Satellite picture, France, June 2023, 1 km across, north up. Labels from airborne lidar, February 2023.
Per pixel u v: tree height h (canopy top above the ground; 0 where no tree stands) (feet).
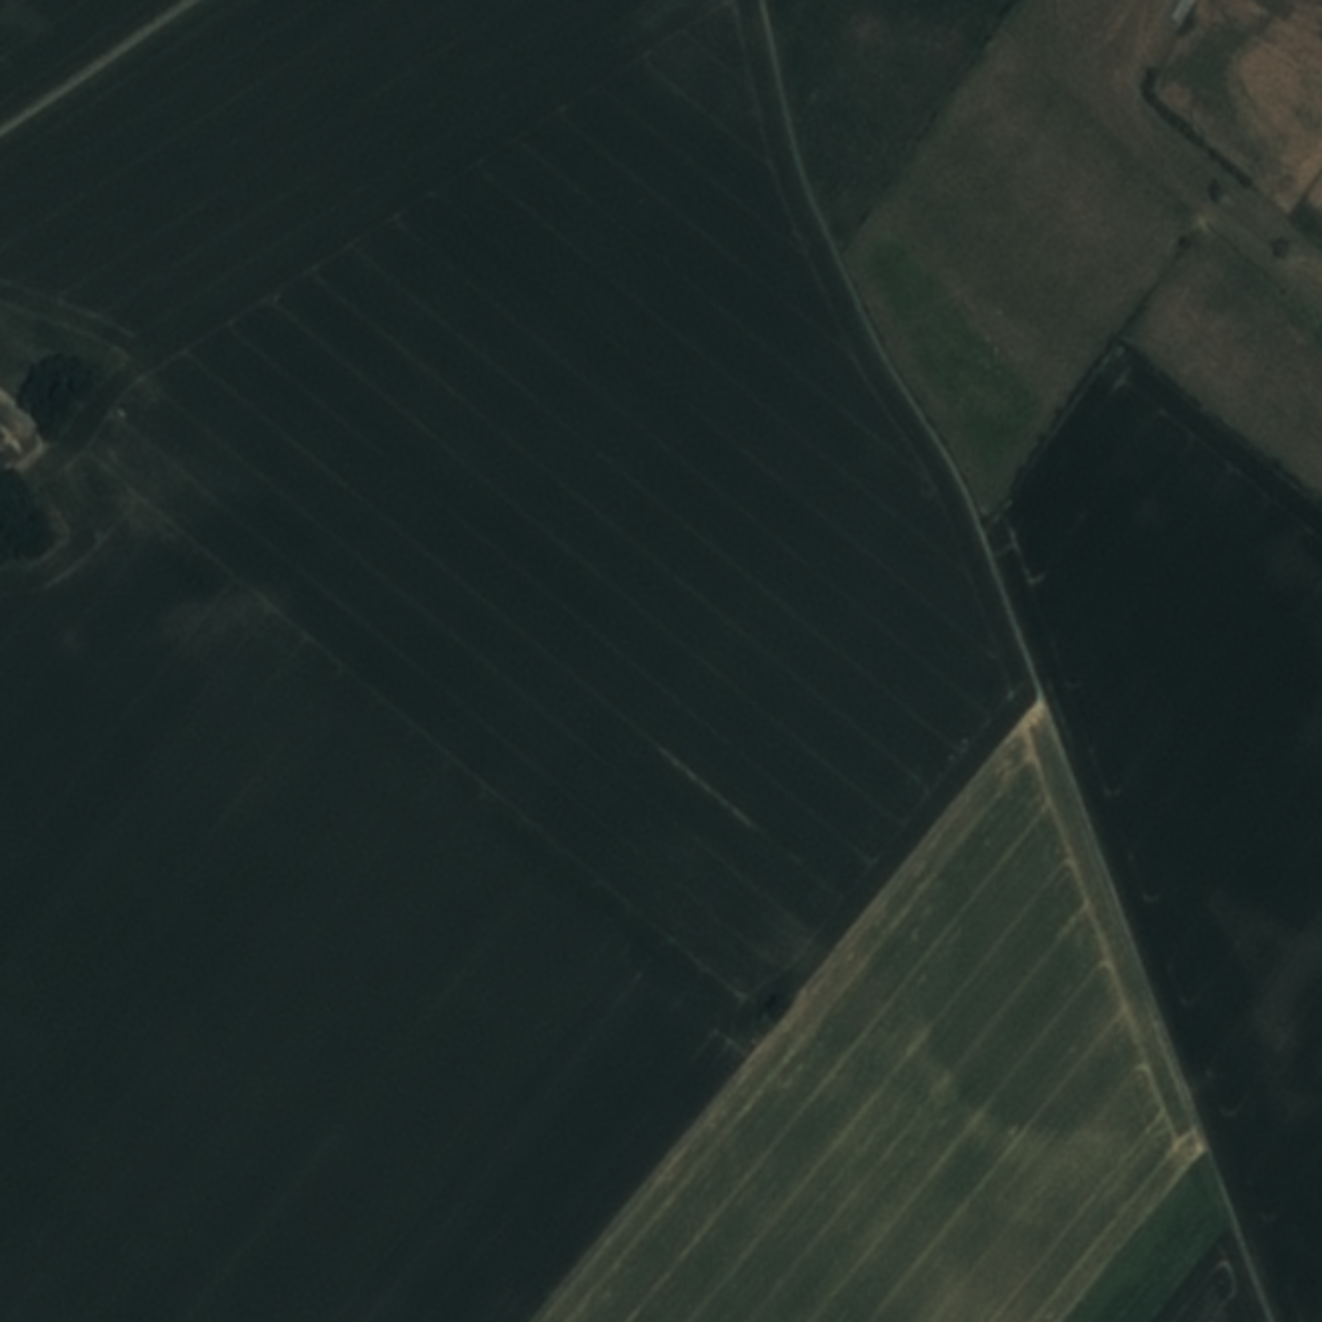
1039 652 0
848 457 0
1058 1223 0
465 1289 0
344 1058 0
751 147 0
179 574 0
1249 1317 0
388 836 0
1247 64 0
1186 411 0
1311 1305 0
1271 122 0
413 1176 0
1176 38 0
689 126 0
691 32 0
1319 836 0
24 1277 0
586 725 0
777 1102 0
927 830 0
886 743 0
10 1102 0
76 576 0
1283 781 0
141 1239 0
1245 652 0
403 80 0
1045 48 0
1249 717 0
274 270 0
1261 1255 0
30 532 53
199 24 0
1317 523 0
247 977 0
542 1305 0
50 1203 0
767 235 0
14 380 0
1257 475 0
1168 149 0
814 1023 0
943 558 0
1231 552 0
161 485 0
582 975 0
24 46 0
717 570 0
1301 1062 0
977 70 0
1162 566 0
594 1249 0
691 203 0
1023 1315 0
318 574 0
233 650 0
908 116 0
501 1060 0
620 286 0
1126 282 0
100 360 0
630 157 0
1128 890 0
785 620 0
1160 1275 0
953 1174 0
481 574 0
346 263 0
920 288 0
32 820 0
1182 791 0
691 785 0
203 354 0
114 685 0
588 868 0
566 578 0
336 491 0
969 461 0
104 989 0
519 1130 0
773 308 0
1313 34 0
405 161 0
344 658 0
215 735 0
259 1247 0
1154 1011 0
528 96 0
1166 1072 0
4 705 0
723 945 0
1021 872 0
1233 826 0
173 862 0
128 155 0
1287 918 0
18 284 0
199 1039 0
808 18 0
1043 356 0
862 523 0
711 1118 0
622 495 0
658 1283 0
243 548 0
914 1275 0
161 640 0
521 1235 0
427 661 0
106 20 0
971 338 0
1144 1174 0
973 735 0
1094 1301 0
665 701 0
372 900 0
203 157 0
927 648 0
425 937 0
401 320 0
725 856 0
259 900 0
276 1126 0
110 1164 0
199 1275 0
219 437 0
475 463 0
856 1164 0
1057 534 0
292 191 0
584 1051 0
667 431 0
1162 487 0
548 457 0
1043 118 0
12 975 0
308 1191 0
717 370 0
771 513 0
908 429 0
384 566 0
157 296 0
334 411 0
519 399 0
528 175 0
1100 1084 0
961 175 0
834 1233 0
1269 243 0
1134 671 0
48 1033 0
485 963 0
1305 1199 0
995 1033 0
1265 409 0
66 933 0
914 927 0
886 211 0
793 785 0
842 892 0
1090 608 0
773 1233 0
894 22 0
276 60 0
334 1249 0
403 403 0
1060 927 0
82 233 0
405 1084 0
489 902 0
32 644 0
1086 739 0
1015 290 0
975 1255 0
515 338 0
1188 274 0
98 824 0
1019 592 0
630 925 0
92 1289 0
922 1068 0
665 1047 0
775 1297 0
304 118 0
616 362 0
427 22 0
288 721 0
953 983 0
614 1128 0
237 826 0
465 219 0
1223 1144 0
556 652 0
